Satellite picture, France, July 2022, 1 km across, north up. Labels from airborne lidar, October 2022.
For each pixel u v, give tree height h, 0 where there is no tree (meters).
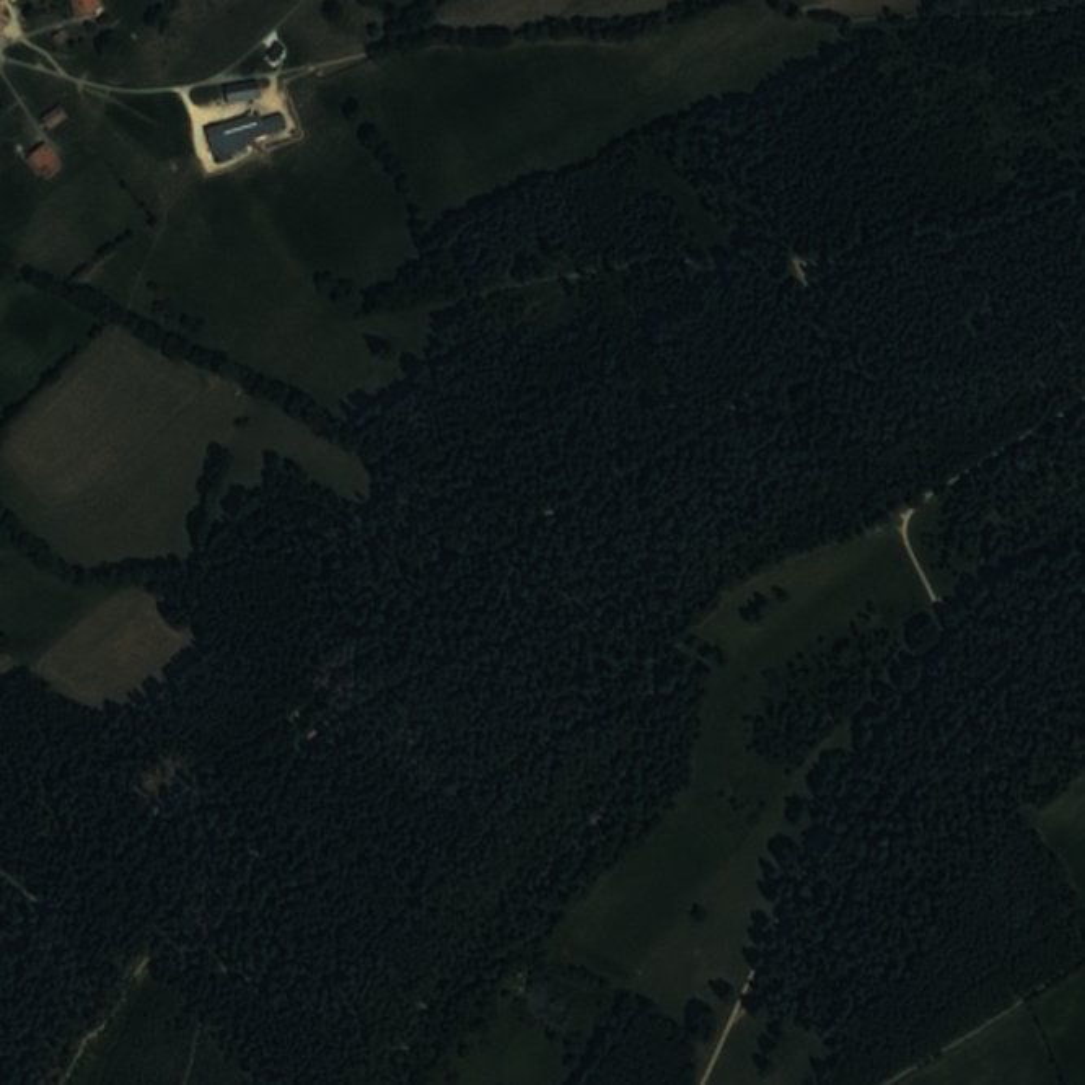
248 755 25
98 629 0
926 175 8
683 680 29
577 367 23
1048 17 14
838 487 14
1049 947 15
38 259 0
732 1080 0
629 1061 19
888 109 6
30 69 0
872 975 27
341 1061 12
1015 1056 0
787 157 25
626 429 37
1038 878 20
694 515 30
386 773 19
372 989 22
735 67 0
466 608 21
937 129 7
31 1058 25
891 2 0
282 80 0
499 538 35
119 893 23
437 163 0
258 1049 9
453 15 0
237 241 0
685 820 0
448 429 28
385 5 6
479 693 30
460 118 0
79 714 23
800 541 20
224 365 25
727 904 0
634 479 22
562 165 0
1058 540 13
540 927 24
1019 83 11
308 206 0
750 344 33
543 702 24
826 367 30
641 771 23
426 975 11
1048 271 23
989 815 21
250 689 24
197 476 0
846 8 0
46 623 0
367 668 34
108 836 31
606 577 26
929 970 16
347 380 0
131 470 0
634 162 17
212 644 23
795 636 0
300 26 0
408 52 16
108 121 0
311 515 15
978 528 18
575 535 33
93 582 17
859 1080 12
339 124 0
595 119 0
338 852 26
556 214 30
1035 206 23
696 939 0
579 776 13
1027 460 27
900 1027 21
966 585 7
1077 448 17
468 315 29
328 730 19
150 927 24
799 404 15
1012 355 20
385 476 25
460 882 20
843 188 21
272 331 0
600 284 9
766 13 0
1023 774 17
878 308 22
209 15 0
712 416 36
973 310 21
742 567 17
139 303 0
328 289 8
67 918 24
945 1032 15
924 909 24
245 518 13
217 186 0
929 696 31
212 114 0
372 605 18
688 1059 15
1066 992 0
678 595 24
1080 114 6
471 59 0
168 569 21
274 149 0
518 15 0
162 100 0
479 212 23
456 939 23
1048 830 0
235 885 30
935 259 27
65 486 0
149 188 0
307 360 0
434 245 28
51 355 0
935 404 18
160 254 0
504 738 21
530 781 18
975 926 17
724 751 0
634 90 0
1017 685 32
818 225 22
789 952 29
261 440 0
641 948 0
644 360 8
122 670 0
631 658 24
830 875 32
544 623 21
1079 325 16
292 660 28
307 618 20
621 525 34
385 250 0
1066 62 15
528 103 0
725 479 32
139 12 0
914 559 0
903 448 18
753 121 33
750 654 0
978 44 12
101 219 0
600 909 0
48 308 0
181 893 19
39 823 21
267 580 23
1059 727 22
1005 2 20
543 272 28
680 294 8
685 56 0
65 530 0
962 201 10
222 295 0
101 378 0
